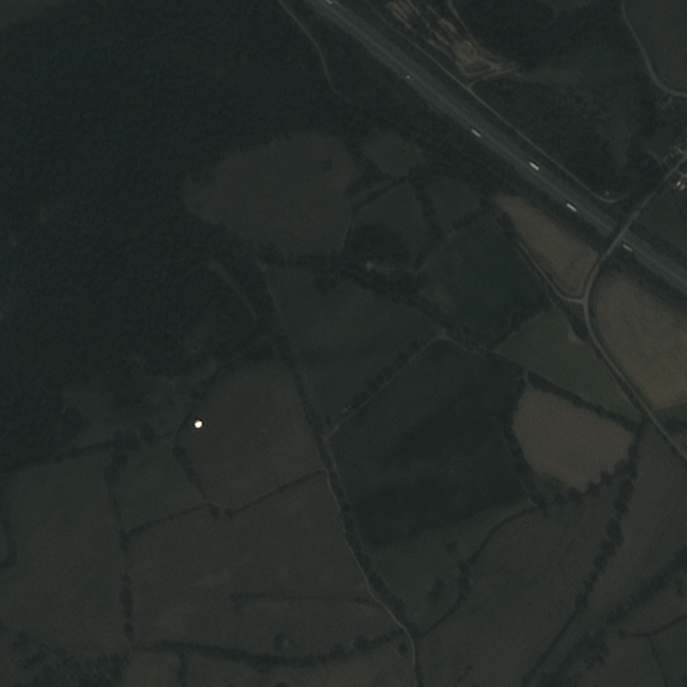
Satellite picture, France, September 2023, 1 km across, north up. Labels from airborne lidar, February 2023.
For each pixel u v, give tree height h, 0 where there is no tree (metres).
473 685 0
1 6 0
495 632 0
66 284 20
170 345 16
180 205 12
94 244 21
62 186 14
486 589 0
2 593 0
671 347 0
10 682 0
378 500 0
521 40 20
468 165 13
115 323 15
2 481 14
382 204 0
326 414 0
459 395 0
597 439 0
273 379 0
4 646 0
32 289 17
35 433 17
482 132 0
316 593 0
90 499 0
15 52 7
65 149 23
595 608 0
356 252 9
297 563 0
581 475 0
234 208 0
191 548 0
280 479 0
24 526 0
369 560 9
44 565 0
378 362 0
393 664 0
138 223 18
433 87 0
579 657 7
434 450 0
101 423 0
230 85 18
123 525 0
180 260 7
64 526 0
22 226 24
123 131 22
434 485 0
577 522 0
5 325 11
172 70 12
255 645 0
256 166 0
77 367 18
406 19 0
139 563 0
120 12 16
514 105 10
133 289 18
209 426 0
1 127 7
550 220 0
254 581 0
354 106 17
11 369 17
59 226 19
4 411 18
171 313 7
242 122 14
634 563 0
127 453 9
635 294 0
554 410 0
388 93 13
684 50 0
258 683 0
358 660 0
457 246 0
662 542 0
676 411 0
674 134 0
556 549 0
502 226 7
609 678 0
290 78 16
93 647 0
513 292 0
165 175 18
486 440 0
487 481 0
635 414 0
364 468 0
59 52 13
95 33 20
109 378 0
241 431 0
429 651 0
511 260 0
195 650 13
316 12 0
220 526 0
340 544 0
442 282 0
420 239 0
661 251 8
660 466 0
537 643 0
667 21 0
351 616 0
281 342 17
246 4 23
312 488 0
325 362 0
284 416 0
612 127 0
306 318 0
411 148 0
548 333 0
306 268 7
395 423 0
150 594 0
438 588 14
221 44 20
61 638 0
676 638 0
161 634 0
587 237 11
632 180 10
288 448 0
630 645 0
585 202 0
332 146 0
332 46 11
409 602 0
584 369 0
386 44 0
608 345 0
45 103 22
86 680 14
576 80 0
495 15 25
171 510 0
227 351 21
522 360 0
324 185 0
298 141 0
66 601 0
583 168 15
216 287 11
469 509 0
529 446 0
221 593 0
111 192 21
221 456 0
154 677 0
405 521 0
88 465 0
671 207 0
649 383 0
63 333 17
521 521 0
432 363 0
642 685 0
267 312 16
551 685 18
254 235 0
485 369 0
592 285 0
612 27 14
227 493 0
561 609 0
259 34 25
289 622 0
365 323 0
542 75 0
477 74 0
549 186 0
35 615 0
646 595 14
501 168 6
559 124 7
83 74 24
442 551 0
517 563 0
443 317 9
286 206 0
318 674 0
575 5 0
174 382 0
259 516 0
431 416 0
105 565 0
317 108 25
